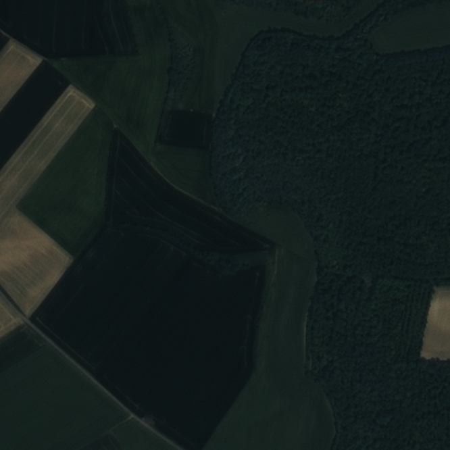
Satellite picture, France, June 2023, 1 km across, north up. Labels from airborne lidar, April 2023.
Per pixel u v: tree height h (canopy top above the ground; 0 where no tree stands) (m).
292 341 0
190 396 0
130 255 0
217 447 0
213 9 0
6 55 0
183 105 0
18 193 0
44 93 0
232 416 0
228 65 0
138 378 0
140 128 0
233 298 0
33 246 0
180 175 0
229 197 8
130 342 0
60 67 0
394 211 9
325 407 0
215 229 0
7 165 0
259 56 11
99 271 0
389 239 18
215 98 0
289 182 9
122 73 0
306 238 0
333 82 21
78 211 0
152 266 0
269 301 0
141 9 0
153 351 0
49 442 0
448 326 0
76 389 0
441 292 0
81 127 0
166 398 0
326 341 17
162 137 0
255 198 7
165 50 0
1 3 0
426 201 28
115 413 0
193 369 0
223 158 15
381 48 0
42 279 0
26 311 0
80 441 0
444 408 14
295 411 0
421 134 18
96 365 0
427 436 9
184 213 0
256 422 0
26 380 0
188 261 0
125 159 0
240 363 0
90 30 0
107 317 0
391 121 17
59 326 0
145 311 0
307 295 0
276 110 17
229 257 0
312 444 0
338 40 9
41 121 0
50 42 0
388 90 23
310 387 0
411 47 0
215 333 0
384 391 16
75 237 0
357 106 7
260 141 19
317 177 15
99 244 0
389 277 20
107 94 0
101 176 0
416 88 15
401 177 22
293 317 0
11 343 0
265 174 9
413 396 19
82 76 0
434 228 20
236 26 0
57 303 0
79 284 0
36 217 0
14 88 0
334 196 9
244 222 0
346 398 14
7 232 0
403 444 23
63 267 0
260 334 0
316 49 18
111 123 0
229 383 0
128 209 0
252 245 0
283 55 19
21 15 0
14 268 0
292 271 0
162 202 0
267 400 0
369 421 21
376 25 15
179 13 0
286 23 0
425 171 20
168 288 0
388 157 17
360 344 20
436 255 14
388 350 17
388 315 9
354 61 18
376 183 23
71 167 0
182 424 0
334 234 10
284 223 0
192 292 0
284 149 15
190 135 0
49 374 0
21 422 0
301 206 8
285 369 0
